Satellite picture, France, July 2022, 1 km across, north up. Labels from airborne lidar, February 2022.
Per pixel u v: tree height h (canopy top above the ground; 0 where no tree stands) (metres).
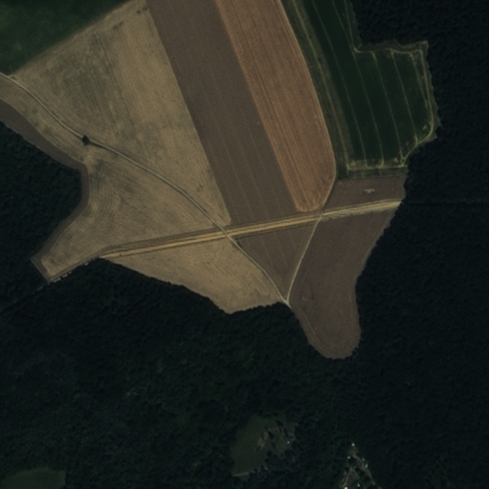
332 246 0
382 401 17
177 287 7
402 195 0
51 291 17
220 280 0
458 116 26
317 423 11
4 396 16
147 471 7
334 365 13
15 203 25
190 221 0
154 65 0
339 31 0
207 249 0
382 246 19
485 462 17
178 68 0
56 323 18
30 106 0
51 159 14
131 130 0
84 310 16
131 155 0
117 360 14
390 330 25
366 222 0
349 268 0
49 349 19
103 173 0
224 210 0
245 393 29
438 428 20
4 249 25
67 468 8
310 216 0
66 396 19
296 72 0
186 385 16
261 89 0
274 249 0
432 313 26
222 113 0
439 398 20
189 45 0
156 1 0
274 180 0
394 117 0
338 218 0
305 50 0
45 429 15
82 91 0
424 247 26
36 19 0
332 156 0
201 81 0
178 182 0
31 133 0
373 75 0
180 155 0
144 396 8
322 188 0
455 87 26
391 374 23
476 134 25
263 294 0
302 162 0
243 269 0
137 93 0
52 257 0
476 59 24
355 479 0
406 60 0
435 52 20
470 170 26
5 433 15
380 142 0
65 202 19
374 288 21
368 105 0
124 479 14
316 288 0
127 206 0
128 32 0
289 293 0
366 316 17
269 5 0
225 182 0
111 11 0
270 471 17
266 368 25
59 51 0
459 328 27
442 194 22
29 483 0
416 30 19
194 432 9
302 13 0
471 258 25
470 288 25
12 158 15
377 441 16
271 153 0
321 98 0
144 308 15
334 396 15
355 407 18
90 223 0
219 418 29
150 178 0
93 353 15
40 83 0
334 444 10
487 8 19
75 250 0
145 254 0
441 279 26
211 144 0
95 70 0
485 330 25
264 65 0
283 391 28
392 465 18
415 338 24
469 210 25
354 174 0
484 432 20
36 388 15
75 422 7
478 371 25
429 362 23
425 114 0
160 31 0
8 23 0
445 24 19
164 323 12
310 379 20
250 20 0
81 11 0
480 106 24
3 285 19
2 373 21
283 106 0
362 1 22
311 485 15
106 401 20
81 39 0
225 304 0
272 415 15
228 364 10
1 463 18
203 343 14
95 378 17
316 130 0
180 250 0
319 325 0
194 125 0
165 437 17
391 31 24
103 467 11
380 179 0
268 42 0
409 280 27
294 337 21
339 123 0
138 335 12
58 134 0
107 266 16
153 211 0
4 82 0
